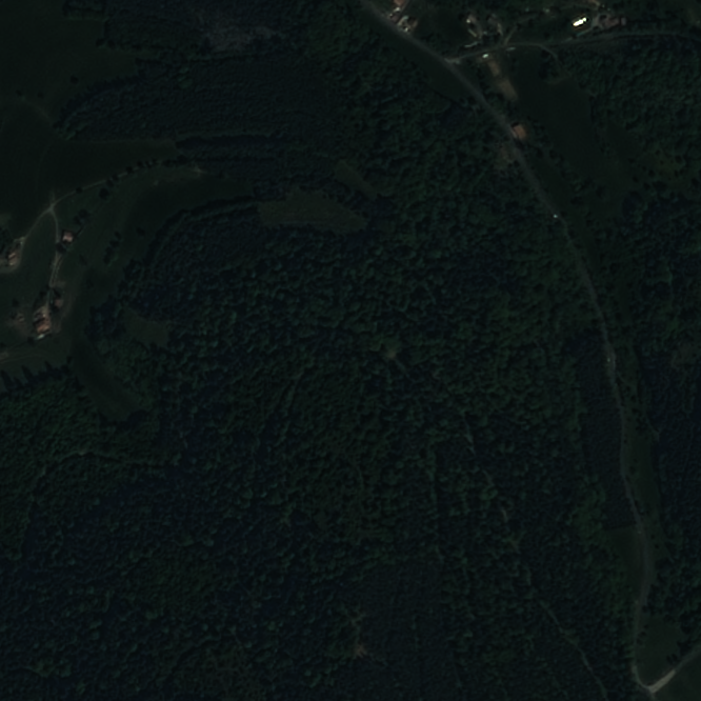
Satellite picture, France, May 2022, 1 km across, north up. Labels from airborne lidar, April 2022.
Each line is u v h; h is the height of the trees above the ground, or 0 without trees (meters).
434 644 28
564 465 30
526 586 30
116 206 0
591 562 24
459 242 31
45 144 0
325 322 26
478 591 29
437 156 28
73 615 31
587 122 0
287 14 27
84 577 37
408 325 32
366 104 24
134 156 0
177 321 24
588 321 8
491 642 29
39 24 0
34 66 0
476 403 29
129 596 16
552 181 0
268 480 28
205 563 9
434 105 15
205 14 26
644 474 0
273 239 23
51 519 8
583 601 30
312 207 0
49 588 31
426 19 0
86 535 32
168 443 32
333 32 35
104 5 24
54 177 0
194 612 8
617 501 25
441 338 29
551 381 31
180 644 8
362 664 22
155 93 11
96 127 13
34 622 33
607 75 12
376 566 26
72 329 0
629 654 24
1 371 0
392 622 24
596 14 0
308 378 8
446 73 0
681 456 27
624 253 10
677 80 13
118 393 0
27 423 10
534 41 0
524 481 33
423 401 24
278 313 33
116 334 27
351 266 31
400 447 29
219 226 17
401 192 30
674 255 24
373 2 0
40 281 0
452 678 22
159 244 10
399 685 23
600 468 27
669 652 0
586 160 0
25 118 0
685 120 15
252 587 30
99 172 0
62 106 0
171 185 0
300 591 23
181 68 22
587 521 32
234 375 24
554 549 28
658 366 23
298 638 29
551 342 34
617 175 0
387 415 18
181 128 12
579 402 23
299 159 10
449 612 32
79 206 0
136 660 28
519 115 14
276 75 16
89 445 8
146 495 27
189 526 28
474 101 16
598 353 25
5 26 0
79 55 0
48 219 0
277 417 9
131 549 29
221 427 28
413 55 0
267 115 15
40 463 6
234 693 10
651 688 0
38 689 22
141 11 25
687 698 0
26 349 0
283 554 34
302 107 14
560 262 29
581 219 0
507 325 28
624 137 0
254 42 9
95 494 8
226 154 10
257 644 28
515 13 13
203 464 29
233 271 11
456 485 30
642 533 0
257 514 31
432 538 26
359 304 33
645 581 0
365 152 11
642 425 14
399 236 27
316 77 15
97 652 34
